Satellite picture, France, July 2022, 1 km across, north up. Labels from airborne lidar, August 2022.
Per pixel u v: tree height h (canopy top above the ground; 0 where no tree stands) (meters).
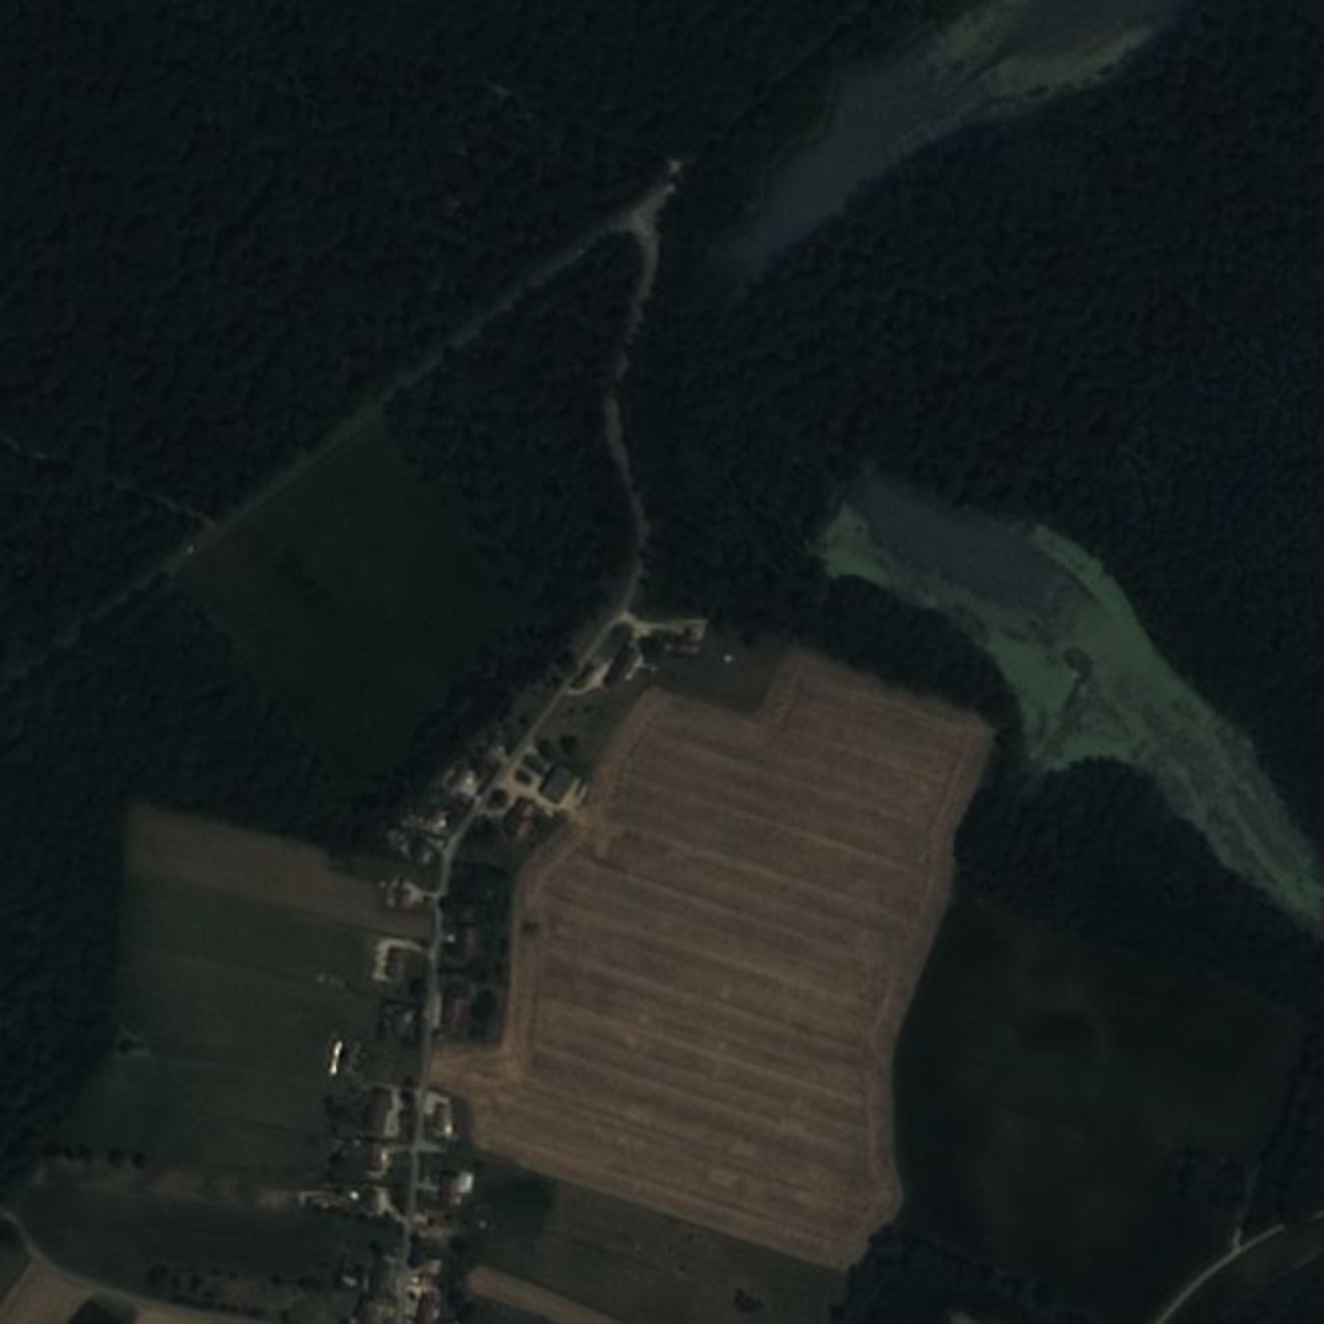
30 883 17
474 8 20
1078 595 0
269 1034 0
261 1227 0
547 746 9
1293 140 24
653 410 24
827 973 0
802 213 0
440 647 0
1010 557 0
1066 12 0
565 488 23
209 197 20
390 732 0
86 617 8
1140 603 14
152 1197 0
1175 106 22
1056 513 15
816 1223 0
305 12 20
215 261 14
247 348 24
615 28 18
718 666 0
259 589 0
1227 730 0
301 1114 0
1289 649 25
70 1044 16
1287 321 26
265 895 0
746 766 0
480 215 21
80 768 17
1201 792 0
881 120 0
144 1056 0
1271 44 29
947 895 0
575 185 24
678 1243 0
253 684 17
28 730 25
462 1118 0
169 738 24
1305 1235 0
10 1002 21
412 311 18
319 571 0
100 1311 9
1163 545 24
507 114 8
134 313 19
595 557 20
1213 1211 14
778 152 16
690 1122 0
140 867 0
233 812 17
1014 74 0
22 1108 23
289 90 18
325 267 20
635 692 0
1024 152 31
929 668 26
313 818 20
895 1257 12
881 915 0
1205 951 25
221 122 18
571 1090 0
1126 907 24
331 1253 0
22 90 26
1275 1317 26
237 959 0
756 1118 0
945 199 23
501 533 18
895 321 23
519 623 0
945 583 0
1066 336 20
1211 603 28
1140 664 0
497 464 27
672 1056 0
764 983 0
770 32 28
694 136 20
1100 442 19
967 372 21
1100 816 24
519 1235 0
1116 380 16
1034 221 14
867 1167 0
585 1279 0
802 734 0
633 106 21
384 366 20
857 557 0
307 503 0
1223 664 27
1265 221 22
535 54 20
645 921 0
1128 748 0
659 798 0
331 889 0
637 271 19
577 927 0
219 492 12
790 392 27
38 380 23
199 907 0
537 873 0
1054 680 0
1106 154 22
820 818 0
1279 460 23
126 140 26
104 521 17
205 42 26
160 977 0
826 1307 0
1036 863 21
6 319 25
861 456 18
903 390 25
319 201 24
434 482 20
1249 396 23
